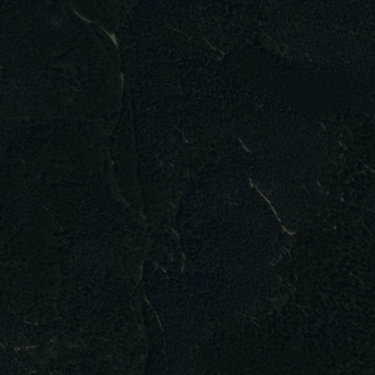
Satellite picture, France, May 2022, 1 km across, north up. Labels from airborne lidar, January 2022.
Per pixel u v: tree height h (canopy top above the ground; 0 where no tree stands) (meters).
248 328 22
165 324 20
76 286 34
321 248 26
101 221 26
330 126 19
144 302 7
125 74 18
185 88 28
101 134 24
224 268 30
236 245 24
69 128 22
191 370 19
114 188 20
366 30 24
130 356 19
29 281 8
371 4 29
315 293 10
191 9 29
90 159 23
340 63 28
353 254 7
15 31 24
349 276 25
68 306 27
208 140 23
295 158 23
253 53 16
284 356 20
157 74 17
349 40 18
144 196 15
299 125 22
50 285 25
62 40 17
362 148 8
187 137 15
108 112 29
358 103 19
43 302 19
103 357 36
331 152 20
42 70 22
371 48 22
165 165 22
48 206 25
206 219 27
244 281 18
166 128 27
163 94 29
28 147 25
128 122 22
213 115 28
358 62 25
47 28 18
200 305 35
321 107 14
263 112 28
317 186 21
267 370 20
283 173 19
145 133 23
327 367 24
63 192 27
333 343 26
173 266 17
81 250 32
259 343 15
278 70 12
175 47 32
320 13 29
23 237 20
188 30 23
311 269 9
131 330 23
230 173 27
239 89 28
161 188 22
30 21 27
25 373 25
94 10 15
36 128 21
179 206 0
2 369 24
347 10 28
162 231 25
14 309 23
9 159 26
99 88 22
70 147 26
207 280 27
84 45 22
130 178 17
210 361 16
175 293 31
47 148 23
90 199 33
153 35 27
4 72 17
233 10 28
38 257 17
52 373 25
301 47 20
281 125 23
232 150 26
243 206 21
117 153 19
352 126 24
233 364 19
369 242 8
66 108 22
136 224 17
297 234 10
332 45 20
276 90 13
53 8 25
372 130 25
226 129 23
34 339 24
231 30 21
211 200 22
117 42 0
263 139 21
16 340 24
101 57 19
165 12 23
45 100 22
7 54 25
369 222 41
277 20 22
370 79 23
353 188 36
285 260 20
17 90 26
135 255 13
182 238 9
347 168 8
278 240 15
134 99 15
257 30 28
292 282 22
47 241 19
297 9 21
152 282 15
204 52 30
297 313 27
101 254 26
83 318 31
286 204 16
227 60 22
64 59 28
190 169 30
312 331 32
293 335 11
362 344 32
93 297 31
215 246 24
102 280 33
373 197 25
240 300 20
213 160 36
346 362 27
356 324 30
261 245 18
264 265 17
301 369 21
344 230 29
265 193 7
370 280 36
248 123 26
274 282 17
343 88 23
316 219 20
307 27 21
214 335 17
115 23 19
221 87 30
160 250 17
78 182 25
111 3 25
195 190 31
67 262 29
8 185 23
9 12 20
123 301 34
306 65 19
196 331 23
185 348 25
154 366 22
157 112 26
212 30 22
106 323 20
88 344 27
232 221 24
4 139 28
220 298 25
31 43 23
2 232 9
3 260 26
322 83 27
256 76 18
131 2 33
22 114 28
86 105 22
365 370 33
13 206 28
